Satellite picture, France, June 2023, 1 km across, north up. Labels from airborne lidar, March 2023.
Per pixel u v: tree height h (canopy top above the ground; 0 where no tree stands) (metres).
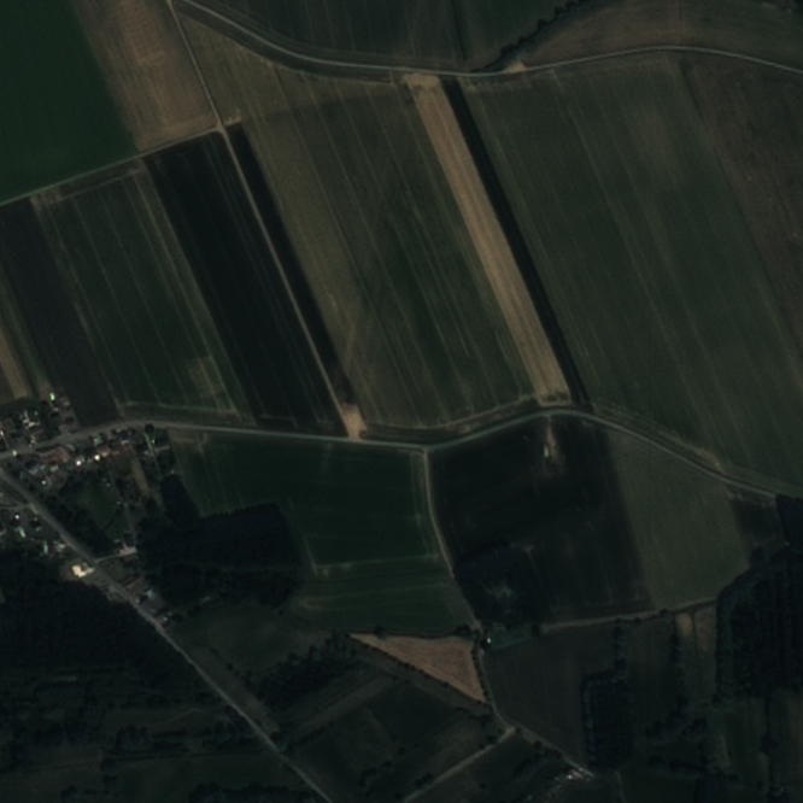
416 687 0
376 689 0
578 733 0
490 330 0
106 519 0
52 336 0
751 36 0
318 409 0
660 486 0
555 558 0
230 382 0
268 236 0
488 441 0
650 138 0
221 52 0
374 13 0
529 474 0
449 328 0
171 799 0
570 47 0
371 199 0
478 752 0
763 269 0
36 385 0
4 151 0
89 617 31
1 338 0
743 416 0
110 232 0
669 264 0
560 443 0
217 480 0
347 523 0
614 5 0
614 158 0
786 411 0
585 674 0
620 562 0
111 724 0
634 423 0
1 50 0
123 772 0
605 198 0
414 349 0
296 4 0
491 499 0
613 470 0
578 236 0
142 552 10
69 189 0
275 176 0
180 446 0
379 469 0
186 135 0
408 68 0
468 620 0
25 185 0
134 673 8
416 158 0
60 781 0
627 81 0
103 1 0
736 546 0
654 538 0
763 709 0
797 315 0
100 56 0
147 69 0
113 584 0
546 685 0
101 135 0
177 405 0
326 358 0
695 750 0
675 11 0
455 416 0
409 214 0
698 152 0
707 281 0
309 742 6
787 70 0
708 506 0
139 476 0
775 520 0
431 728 0
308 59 0
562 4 0
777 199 0
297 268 0
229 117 0
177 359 0
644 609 0
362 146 0
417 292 0
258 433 0
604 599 0
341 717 0
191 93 0
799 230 0
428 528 0
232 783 0
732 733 0
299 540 0
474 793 0
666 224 0
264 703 10
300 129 0
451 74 0
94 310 0
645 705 0
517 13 0
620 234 0
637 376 0
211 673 0
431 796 0
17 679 0
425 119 0
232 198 0
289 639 0
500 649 0
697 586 0
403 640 0
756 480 0
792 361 0
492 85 0
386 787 0
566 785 0
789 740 0
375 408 0
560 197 0
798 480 0
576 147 0
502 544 0
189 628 0
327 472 0
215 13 0
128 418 0
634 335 0
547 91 0
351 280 0
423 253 0
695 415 0
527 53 0
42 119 0
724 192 0
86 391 0
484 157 0
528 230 0
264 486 0
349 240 0
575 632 0
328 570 0
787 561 26
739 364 0
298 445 0
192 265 0
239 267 0
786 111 0
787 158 0
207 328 0
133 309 0
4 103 0
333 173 0
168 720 0
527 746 0
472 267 0
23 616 22
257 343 0
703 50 0
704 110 0
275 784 0
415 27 0
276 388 0
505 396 0
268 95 0
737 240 0
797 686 24
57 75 0
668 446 0
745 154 0
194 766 0
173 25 0
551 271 0
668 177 0
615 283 0
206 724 0
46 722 0
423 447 0
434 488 0
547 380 0
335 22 0
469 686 0
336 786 0
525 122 0
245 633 0
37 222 0
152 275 0
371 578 0
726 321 0
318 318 0
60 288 0
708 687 0
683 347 0
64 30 0
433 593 0
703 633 0
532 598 31
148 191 0
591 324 0
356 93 0
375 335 0
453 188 0
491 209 0
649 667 0
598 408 0
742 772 0
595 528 0
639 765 0
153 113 0
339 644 15
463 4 0
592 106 0
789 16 0
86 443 0
